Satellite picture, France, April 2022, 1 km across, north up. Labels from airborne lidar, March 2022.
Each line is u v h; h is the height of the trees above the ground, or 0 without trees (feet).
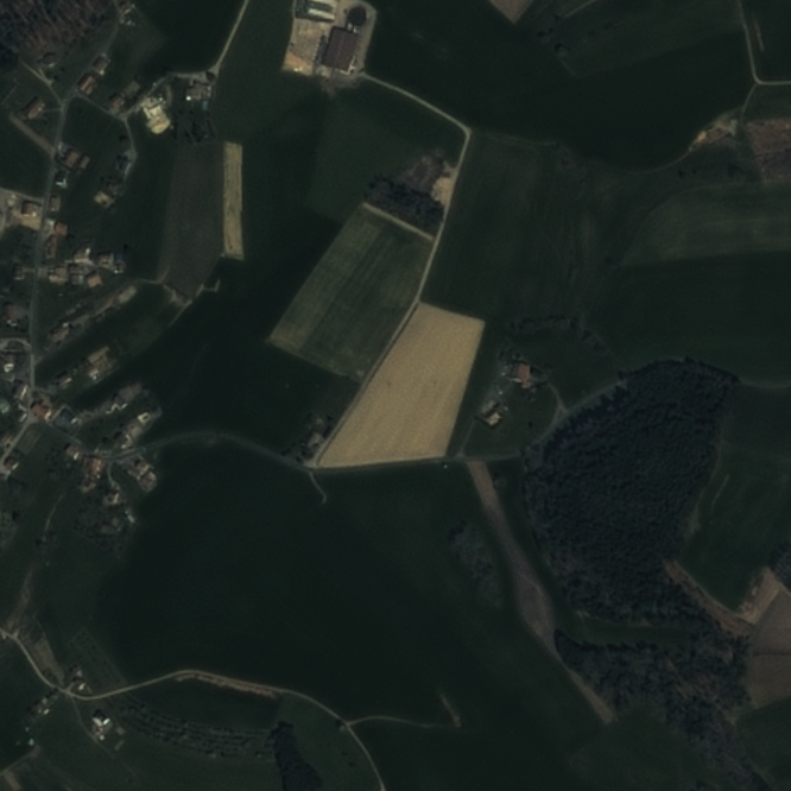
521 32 0
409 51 0
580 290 0
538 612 0
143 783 0
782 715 0
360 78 0
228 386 0
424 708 0
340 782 0
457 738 0
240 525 0
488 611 0
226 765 0
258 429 0
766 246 0
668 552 68
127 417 0
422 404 0
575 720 0
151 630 0
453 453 0
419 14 0
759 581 0
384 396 0
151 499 0
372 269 0
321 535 0
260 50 0
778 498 0
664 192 0
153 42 0
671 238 0
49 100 0
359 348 0
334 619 0
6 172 0
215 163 0
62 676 0
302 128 0
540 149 0
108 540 30
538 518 69
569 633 0
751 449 0
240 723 0
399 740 0
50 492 0
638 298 0
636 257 0
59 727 0
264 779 0
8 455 0
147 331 0
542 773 0
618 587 53
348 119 0
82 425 0
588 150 0
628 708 63
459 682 0
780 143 0
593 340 51
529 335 47
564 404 0
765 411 0
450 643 0
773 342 0
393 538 0
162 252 0
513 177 0
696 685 63
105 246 0
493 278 0
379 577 0
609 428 82
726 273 0
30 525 0
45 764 0
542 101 0
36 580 0
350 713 0
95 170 0
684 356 0
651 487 47
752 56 0
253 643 0
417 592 0
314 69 0
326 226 0
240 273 0
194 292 0
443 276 0
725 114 0
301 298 0
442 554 0
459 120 0
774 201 0
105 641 0
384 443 0
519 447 0
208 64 0
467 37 0
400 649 0
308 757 0
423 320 0
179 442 0
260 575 0
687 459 73
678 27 0
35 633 0
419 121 0
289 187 0
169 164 0
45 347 0
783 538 0
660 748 0
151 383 0
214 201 0
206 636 0
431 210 47
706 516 0
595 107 0
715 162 0
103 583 0
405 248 0
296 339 0
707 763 60
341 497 0
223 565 0
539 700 0
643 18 0
